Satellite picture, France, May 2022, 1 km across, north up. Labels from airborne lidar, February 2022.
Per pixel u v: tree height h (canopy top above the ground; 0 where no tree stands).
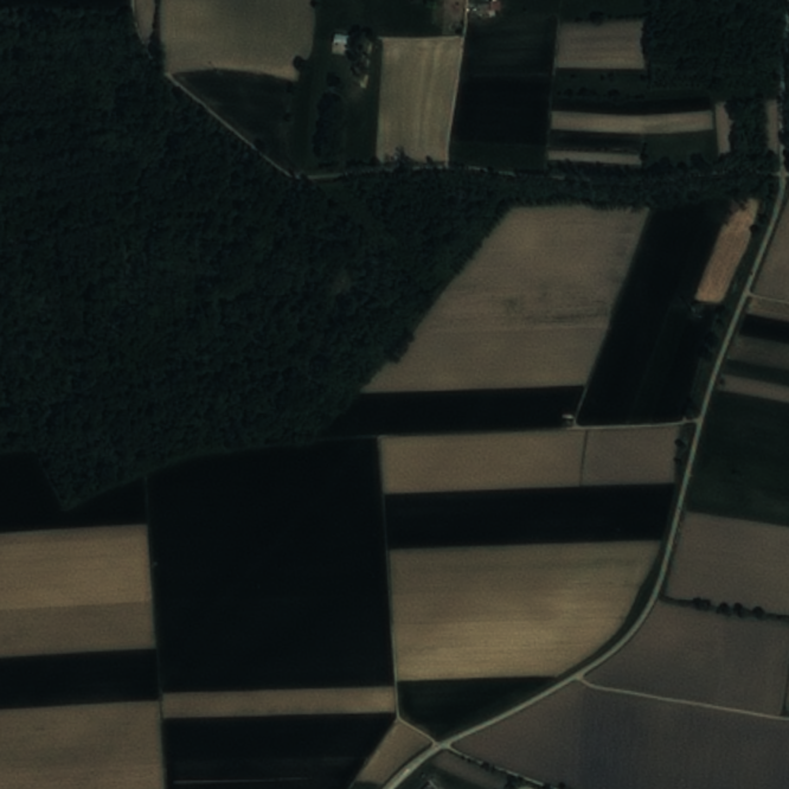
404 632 0
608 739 0
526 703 0
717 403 0
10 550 0
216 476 0
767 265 0
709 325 0
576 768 0
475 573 0
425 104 0
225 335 21
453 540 0
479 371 0
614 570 0
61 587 0
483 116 0
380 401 0
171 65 0
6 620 0
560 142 0
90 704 0
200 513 0
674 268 0
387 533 0
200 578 0
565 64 0
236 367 25
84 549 0
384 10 0
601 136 0
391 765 0
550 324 0
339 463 0
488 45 0
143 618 0
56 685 0
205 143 19
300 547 0
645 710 0
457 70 0
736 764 0
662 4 22
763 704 0
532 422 0
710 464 0
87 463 18
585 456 0
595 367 0
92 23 9
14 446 13
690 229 0
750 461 0
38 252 22
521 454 0
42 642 0
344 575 0
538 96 0
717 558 0
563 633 0
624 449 0
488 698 0
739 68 0
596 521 0
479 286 0
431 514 0
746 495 0
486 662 0
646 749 0
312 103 0
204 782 0
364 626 0
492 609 0
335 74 0
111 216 21
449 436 0
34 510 0
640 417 0
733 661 0
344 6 0
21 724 0
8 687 0
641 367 0
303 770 0
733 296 0
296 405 25
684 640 0
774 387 0
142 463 18
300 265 14
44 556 0
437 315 0
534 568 0
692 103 0
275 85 0
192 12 0
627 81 0
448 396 0
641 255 0
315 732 0
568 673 0
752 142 9
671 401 0
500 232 0
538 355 0
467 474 0
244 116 0
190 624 0
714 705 0
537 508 0
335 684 0
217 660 0
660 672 0
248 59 0
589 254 0
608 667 0
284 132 0
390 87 0
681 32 21
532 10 0
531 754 0
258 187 27
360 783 0
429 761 0
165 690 0
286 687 0
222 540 0
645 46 14
